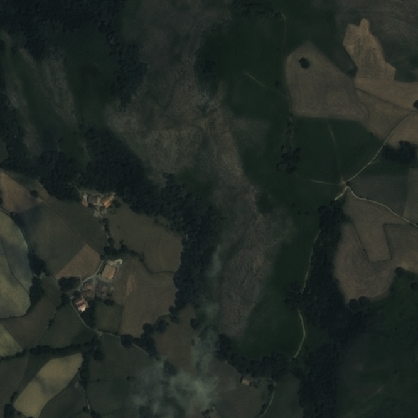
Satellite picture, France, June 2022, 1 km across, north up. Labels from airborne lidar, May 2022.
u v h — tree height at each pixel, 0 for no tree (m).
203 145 0
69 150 0
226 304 0
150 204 18
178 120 0
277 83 12
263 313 0
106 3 20
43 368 0
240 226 0
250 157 0
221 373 0
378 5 0
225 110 0
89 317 8
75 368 0
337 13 0
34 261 17
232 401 0
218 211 0
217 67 0
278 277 0
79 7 16
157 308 0
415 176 0
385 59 0
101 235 0
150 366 0
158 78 0
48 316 0
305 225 0
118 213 0
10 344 0
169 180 13
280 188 0
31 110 0
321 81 0
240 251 0
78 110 0
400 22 0
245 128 0
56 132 0
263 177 0
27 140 0
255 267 0
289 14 0
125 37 0
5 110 6
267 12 22
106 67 0
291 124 10
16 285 0
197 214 15
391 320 0
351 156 0
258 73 0
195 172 0
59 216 0
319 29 0
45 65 0
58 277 0
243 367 24
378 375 0
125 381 0
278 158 0
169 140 0
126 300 0
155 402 16
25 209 0
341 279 0
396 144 0
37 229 0
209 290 0
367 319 21
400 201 0
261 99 0
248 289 0
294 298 12
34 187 0
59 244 0
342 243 0
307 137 0
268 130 0
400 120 0
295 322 0
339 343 14
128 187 23
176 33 0
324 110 0
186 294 21
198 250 19
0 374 0
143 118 0
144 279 0
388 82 0
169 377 19
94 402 0
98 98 0
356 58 0
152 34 0
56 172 15
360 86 0
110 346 0
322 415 18
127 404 0
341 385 0
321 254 18
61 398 0
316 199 0
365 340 0
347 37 0
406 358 0
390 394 0
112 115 0
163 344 0
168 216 12
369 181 0
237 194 0
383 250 0
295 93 0
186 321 0
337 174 0
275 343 0
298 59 0
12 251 0
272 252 0
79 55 0
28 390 0
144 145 0
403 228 0
